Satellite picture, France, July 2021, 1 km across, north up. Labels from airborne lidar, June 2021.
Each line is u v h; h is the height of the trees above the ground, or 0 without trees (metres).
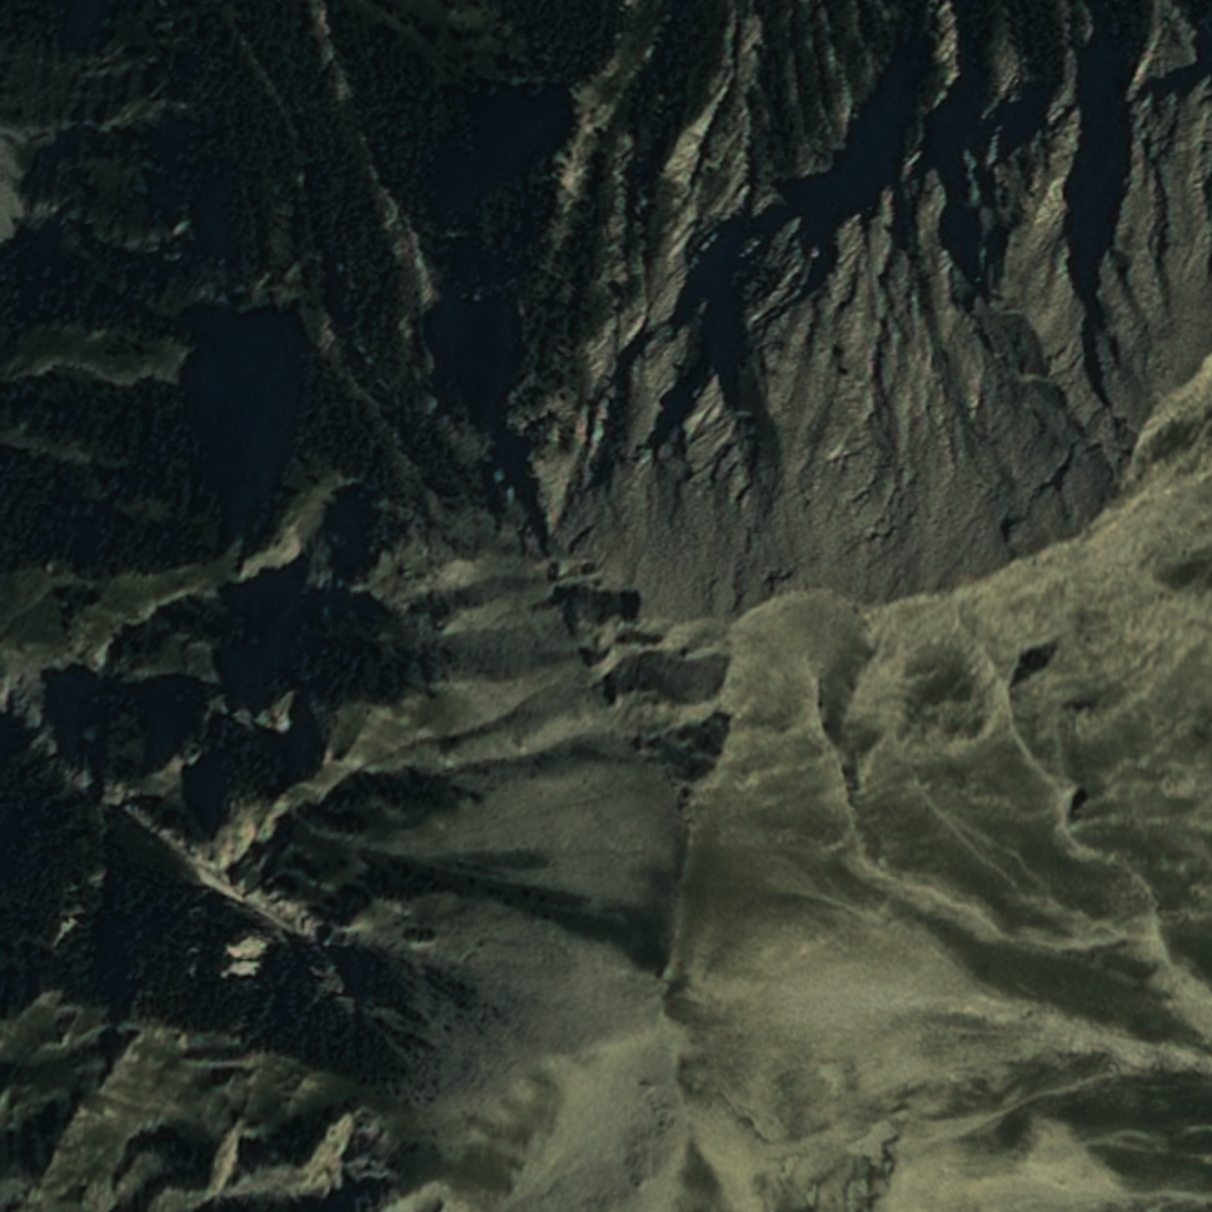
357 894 14
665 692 0
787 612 0
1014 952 0
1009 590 0
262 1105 0
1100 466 0
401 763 0
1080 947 0
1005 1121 0
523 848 0
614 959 0
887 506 0
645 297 0
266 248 10
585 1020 0
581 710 0
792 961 0
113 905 21
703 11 13
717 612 0
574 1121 0
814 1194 0
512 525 0
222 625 0
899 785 0
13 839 18
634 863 0
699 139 0
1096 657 0
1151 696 0
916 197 7
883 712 0
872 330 0
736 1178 0
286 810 0
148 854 0
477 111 9
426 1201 0
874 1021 0
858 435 0
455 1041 0
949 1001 0
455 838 0
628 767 0
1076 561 0
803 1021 0
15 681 0
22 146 0
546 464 0
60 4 15
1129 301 0
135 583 0
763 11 7
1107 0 14
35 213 0
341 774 0
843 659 0
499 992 0
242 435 0
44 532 15
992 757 0
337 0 17
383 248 13
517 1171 0
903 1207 0
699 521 0
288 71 18
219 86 17
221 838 0
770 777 0
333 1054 11
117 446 15
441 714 0
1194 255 0
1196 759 0
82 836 14
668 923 0
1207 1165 0
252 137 12
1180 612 0
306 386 8
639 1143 0
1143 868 0
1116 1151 0
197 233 0
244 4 15
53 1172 0
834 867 0
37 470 19
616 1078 0
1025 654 0
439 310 0
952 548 0
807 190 0
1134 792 0
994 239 0
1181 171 0
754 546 0
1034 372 0
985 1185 0
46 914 9
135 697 17
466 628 0
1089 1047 0
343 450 14
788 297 0
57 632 0
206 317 0
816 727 0
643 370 0
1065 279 0
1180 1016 0
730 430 0
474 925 0
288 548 0
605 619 0
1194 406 0
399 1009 8
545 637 0
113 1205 0
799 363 0
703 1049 0
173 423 9
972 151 0
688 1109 0
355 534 0
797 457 0
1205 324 0
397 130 16
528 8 22
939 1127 0
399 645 0
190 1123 0
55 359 0
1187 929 0
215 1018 8
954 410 0
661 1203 0
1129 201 0
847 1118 0
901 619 0
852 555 0
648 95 13
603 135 18
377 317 16
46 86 0
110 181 0
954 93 0
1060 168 0
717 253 0
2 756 26
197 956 14
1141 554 0
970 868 0
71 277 18
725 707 0
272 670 13
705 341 0
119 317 12
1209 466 0
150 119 0
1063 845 0
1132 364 0
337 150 5
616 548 0
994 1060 0
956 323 0
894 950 0
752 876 0
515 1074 0
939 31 7
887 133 0
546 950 0
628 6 13
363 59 21
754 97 6
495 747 0
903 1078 0
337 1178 0
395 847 0
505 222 15
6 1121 0
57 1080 0
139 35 0
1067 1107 0
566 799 0
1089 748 0
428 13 0
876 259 0
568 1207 0
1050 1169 0
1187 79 0
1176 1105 0
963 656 0
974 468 0
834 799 0
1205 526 0
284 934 0
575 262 16
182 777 0
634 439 0
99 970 7
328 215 14
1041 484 0
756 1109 0
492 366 8
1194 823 0
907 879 0
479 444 0
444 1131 0
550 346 11
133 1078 0
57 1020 0
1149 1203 0
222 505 17
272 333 0
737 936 0
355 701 0
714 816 0
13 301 13
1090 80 0
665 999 0
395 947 0
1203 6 7
